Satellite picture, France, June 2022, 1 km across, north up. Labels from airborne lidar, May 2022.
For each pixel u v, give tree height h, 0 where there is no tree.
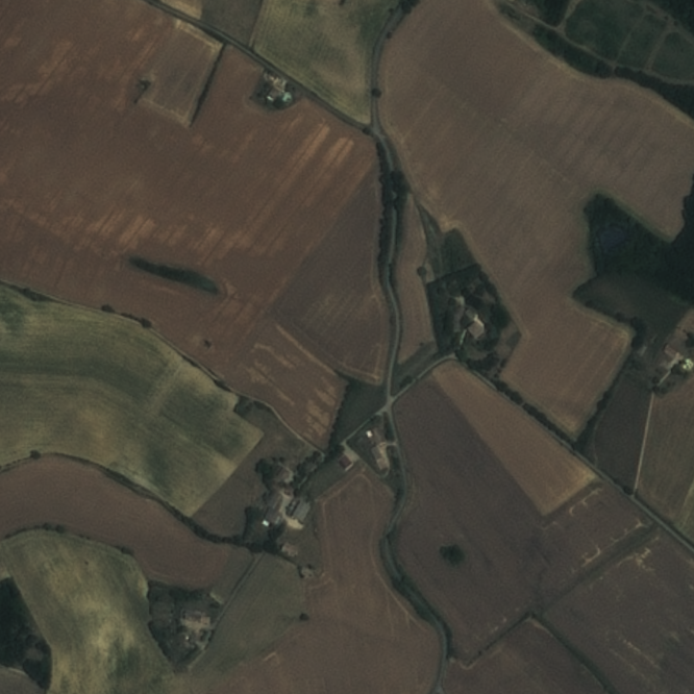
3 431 0
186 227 0
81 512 0
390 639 0
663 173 0
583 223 0
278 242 0
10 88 0
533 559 0
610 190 0
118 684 0
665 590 0
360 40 0
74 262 0
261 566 0
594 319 0
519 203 0
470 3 0
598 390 0
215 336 0
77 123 0
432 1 0
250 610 0
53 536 0
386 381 0
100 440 0
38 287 0
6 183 0
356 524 0
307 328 0
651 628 0
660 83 12
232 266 0
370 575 0
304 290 0
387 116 0
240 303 0
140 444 0
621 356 0
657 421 0
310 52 0
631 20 0
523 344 0
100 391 0
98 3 0
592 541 0
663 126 0
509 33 0
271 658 0
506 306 0
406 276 0
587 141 0
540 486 0
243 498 0
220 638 0
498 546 0
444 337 12
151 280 0
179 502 0
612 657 0
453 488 0
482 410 0
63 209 0
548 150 0
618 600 0
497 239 0
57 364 0
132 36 0
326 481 0
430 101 0
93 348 0
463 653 0
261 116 0
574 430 0
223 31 0
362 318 0
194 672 0
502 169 0
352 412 0
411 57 0
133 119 0
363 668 0
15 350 0
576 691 0
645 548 0
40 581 0
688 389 0
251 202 0
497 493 0
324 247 0
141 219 0
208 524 0
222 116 0
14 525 0
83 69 0
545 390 0
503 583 0
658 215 0
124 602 0
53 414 0
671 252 12
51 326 0
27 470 0
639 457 0
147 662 0
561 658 0
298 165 0
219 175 0
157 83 0
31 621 0
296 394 0
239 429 0
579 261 0
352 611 0
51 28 0
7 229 0
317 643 0
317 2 0
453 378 0
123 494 0
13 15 0
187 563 0
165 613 0
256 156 0
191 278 0
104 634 0
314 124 0
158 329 0
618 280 0
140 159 0
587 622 0
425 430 0
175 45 0
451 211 0
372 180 0
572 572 0
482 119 0
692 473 0
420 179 0
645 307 0
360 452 0
